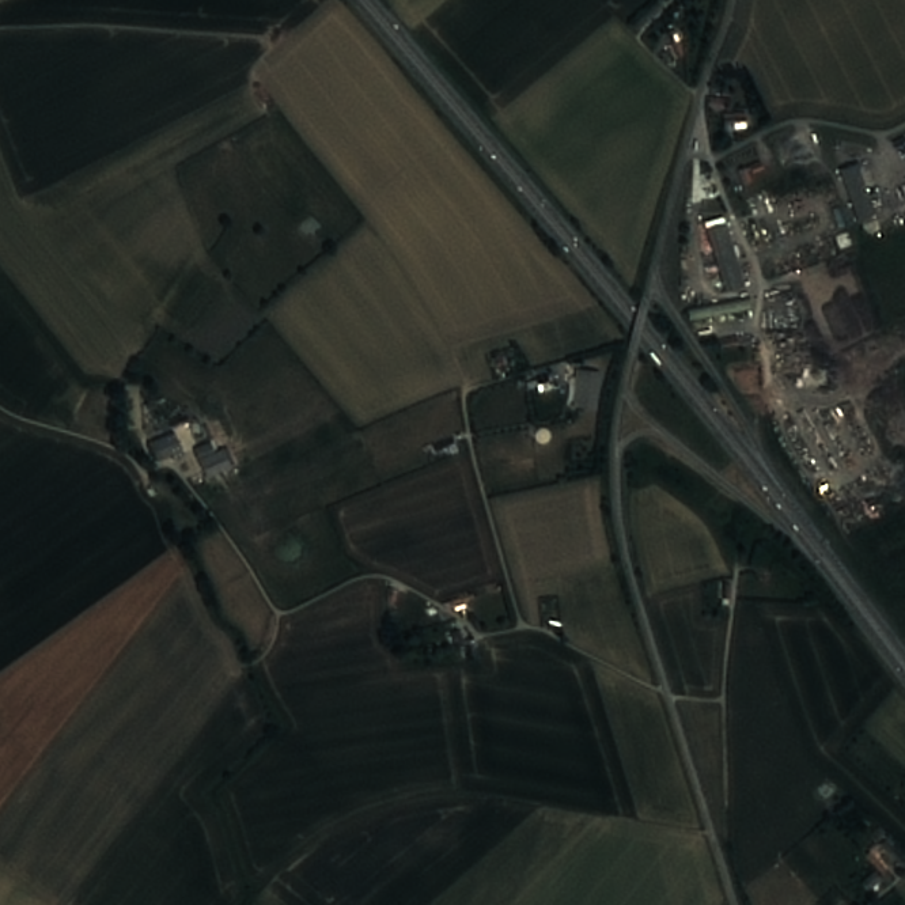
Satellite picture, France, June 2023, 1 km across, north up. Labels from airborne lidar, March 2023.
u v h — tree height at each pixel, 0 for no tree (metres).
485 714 0
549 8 0
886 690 0
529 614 0
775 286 0
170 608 0
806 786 0
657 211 0
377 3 0
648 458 0
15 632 0
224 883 0
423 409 0
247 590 0
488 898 0
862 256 0
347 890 0
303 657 0
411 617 0
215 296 0
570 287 0
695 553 0
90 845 0
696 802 0
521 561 0
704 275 0
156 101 0
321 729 0
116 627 0
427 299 0
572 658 0
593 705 0
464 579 0
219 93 0
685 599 0
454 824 0
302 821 0
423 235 0
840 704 0
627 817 0
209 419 0
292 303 0
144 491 0
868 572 0
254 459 0
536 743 0
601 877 0
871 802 0
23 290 0
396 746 0
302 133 0
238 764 0
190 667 0
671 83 0
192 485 0
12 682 0
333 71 0
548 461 0
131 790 0
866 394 0
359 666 0
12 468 0
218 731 0
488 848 0
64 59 0
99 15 0
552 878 0
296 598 0
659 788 0
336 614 0
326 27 0
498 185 0
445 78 0
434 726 0
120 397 24
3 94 0
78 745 0
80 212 0
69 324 0
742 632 0
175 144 0
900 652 0
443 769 0
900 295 0
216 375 0
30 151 0
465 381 0
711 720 0
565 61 0
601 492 0
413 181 0
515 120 0
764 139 0
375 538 0
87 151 0
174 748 0
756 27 0
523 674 0
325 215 0
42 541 0
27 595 0
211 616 0
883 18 0
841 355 0
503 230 0
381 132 0
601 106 0
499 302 0
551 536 0
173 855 0
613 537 0
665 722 0
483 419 0
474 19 0
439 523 0
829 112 0
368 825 0
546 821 0
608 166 0
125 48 0
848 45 0
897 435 0
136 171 0
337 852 0
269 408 0
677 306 0
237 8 0
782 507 0
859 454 0
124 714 0
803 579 0
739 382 0
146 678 0
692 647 0
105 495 0
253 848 0
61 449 0
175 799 0
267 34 0
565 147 0
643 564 0
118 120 0
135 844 0
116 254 0
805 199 0
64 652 0
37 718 0
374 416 0
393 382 0
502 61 0
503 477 0
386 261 0
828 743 0
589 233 0
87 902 0
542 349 0
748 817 0
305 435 0
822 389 0
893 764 0
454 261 0
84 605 0
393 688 0
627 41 0
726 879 0
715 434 0
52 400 0
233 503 0
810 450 0
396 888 0
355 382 0
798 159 0
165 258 0
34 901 0
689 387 0
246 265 0
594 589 0
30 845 0
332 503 0
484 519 0
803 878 0
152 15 0
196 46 0
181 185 0
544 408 0
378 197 0
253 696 0
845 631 0
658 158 0
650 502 0
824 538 0
